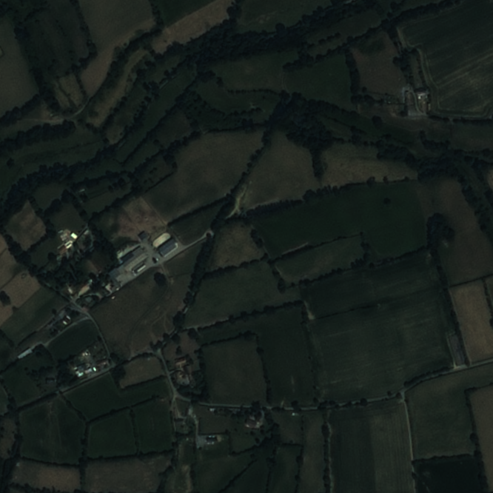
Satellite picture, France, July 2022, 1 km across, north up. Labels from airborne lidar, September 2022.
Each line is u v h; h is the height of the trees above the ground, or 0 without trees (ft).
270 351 0
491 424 0
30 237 0
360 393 0
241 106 0
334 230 0
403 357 0
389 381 0
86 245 19
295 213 0
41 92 38
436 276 0
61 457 0
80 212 24
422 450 0
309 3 0
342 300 0
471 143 0
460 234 0
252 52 37
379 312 0
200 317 0
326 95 0
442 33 0
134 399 0
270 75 0
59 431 0
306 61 59
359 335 0
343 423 0
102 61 0
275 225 0
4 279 0
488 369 0
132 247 0
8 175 0
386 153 42
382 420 0
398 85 0
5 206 74
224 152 0
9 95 0
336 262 0
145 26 0
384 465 0
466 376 0
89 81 0
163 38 0
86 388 0
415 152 0
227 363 0
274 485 0
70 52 18
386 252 0
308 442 0
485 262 0
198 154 0
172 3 0
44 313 0
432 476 0
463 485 0
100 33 0
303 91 0
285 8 0
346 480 0
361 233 19
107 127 32
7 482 24
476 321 0
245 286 0
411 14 52
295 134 64
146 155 0
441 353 0
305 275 0
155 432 0
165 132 0
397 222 0
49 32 0
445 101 0
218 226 49
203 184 0
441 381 0
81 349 0
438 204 0
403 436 0
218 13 0
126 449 0
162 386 0
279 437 29
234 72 0
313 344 0
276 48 41
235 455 35
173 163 27
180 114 0
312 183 0
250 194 0
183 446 0
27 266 32
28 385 0
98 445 0
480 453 49
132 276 0
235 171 0
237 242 0
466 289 0
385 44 0
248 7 0
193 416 0
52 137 77
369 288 0
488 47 0
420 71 21
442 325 0
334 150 0
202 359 47
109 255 43
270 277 0
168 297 0
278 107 0
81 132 0
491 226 0
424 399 0
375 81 0
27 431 0
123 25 0
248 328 0
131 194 24
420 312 0
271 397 44
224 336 0
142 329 0
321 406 31
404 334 0
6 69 0
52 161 0
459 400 0
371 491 0
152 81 0
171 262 0
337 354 0
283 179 0
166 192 0
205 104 38
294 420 0
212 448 0
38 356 42
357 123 0
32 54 35
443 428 0
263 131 0
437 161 24
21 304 0
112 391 0
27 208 0
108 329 0
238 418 52
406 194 0
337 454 0
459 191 0
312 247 30
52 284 0
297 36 43
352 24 0
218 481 0
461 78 0
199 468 0
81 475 28
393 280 0
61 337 0
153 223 0
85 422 21
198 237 0
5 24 0
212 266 0
